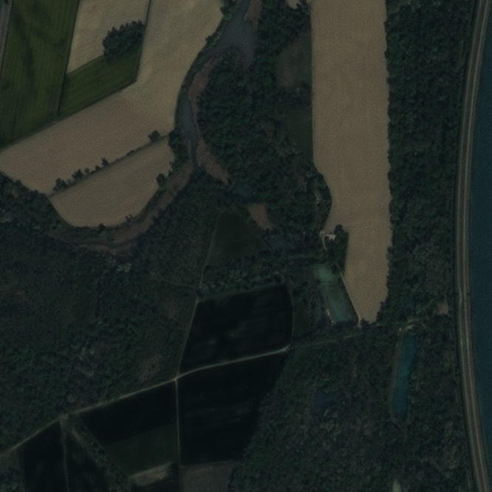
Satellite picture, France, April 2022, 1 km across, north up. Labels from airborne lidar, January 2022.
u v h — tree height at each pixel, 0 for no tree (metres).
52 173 0
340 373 23
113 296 24
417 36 18
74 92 0
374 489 12
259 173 21
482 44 0
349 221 0
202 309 0
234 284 14
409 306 0
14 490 23
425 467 25
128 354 14
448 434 18
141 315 18
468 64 0
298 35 25
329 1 0
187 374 0
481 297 0
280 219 17
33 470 0
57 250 34
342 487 6
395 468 20
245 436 0
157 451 0
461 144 0
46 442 0
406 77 7
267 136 17
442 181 20
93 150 0
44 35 0
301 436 23
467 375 0
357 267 0
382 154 0
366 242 0
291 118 0
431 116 9
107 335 12
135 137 0
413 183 8
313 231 27
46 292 35
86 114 0
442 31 23
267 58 20
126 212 0
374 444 20
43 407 10
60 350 13
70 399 18
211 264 0
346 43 0
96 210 0
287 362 10
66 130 0
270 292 0
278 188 20
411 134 24
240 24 0
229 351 0
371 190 0
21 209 18
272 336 0
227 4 0
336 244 18
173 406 0
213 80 7
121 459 0
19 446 0
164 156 0
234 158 22
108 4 0
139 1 0
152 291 34
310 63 0
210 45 17
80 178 16
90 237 6
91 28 0
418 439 21
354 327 20
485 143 0
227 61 6
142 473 0
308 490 20
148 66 0
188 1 0
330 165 0
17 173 0
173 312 0
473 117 0
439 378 7
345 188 0
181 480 0
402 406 0
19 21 0
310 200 17
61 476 0
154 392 0
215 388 0
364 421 25
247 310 0
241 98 21
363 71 0
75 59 0
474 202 0
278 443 20
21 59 0
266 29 7
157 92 0
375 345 21
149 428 0
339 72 0
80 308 6
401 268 24
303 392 17
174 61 0
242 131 9
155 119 0
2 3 0
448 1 25
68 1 0
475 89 0
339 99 0
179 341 10
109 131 0
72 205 0
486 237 0
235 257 0
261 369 0
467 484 23
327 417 15
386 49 0
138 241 0
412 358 0
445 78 22
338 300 0
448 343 24
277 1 15
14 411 18
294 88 0
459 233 0
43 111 0
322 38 0
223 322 0
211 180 9
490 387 0
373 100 0
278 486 22
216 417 0
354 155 0
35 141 0
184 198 17
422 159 22
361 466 25
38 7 0
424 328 15
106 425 0
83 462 0
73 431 0
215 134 16
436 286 29
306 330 0
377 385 19
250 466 18
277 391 16
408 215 27
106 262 6
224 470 0
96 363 17
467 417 0
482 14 0
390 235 0
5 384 20
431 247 23
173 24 0
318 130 0
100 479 0
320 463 22
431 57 22
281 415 12
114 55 19
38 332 27
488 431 0
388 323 17
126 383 13
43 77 0
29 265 0
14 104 0
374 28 0
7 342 28
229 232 0
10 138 0
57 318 31
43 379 13
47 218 15
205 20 0
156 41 0
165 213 6
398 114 23
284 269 16
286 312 0
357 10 0
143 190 0
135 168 0
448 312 0
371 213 0
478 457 0
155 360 0
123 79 0
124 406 0
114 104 0
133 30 13
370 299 0
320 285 12
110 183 0
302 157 9
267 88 24
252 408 0
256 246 0
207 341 0
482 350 0
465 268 0
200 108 15
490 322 0
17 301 0
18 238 24
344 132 0
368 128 0
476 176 0
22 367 21
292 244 11
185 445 0
